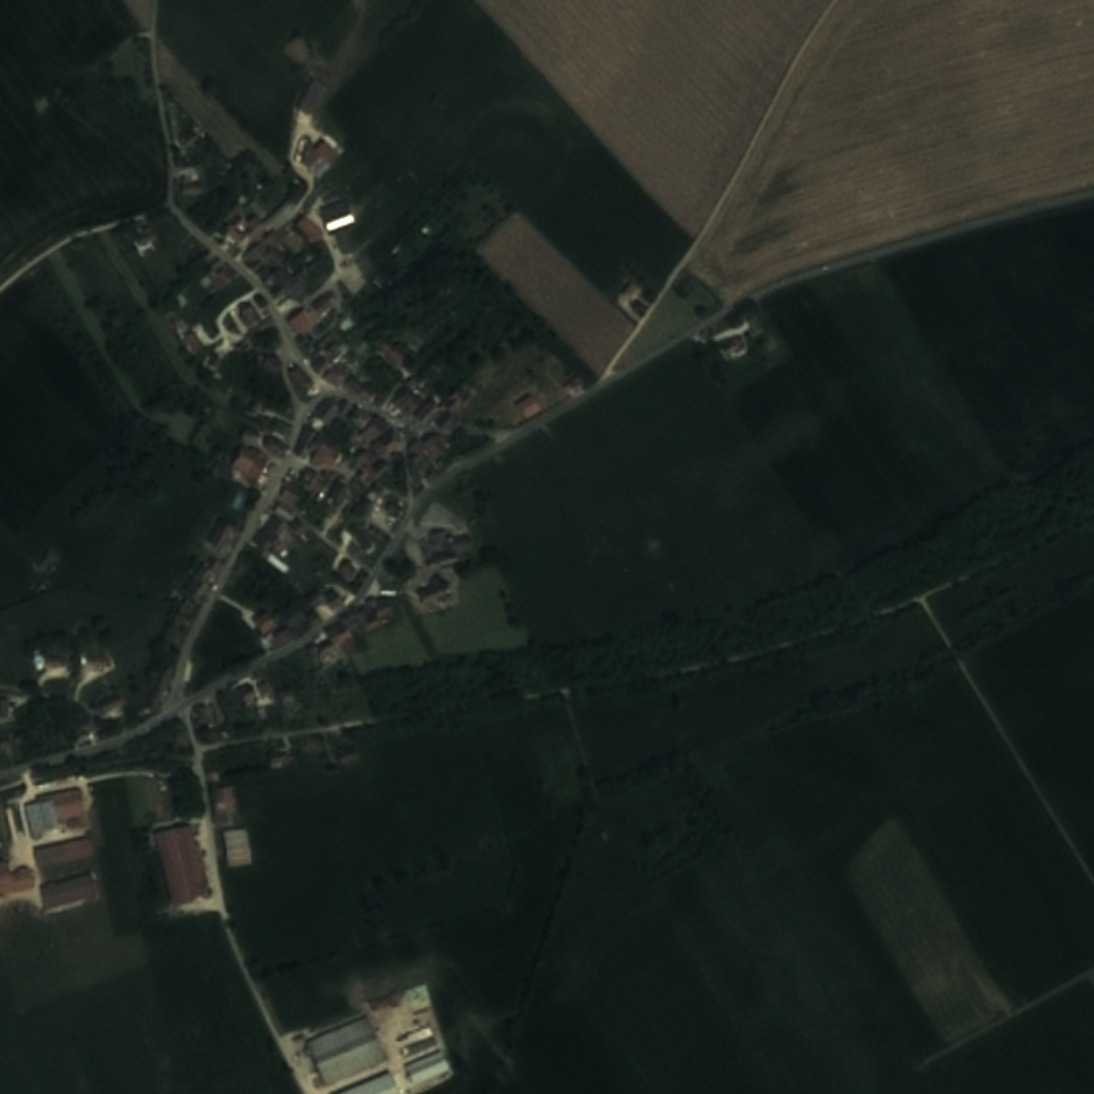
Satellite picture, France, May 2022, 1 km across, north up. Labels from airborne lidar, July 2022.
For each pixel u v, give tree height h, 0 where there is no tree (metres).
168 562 0
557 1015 0
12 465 0
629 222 0
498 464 0
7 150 0
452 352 15
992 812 0
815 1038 0
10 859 0
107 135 0
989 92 0
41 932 0
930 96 0
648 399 0
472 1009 0
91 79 0
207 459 11
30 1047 0
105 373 11
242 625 0
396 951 0
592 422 0
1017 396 0
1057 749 0
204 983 0
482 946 0
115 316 11
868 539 0
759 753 0
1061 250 0
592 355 0
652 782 20
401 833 0
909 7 0
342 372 0
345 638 0
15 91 0
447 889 0
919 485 0
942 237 0
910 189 0
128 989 0
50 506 0
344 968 0
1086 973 0
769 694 0
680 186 0
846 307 0
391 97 0
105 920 0
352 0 0
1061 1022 0
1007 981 0
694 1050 0
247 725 9
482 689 13
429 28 0
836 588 12
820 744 0
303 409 0
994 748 0
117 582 0
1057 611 0
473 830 0
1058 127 0
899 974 0
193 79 0
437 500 0
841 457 0
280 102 0
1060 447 0
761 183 0
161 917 0
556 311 0
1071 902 0
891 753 0
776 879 0
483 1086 0
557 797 0
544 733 0
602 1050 0
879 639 0
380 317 7
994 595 18
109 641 10
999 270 0
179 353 9
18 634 0
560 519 0
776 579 0
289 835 0
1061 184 0
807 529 0
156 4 0
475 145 0
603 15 0
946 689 0
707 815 8
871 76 0
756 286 0
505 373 0
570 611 0
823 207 0
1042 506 14
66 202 0
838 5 0
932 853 0
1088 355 0
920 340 0
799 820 0
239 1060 0
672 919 0
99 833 0
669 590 0
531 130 0
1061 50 0
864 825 0
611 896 0
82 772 7
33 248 0
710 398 0
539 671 11
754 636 14
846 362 0
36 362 0
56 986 0
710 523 0
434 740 0
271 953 0
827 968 0
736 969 0
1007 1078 0
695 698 0
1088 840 0
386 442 0
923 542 12
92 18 0
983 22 0
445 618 0
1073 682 0
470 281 14
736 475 0
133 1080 0
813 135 0
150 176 0
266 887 0
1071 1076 0
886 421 0
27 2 0
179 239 0
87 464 0
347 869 0
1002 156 0
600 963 0
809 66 0
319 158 0
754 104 0
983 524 16
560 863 0
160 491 22
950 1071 0
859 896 0
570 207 0
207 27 0
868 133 0
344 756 0
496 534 0
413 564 8
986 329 0
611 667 16
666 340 0
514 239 0
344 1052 0
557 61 0
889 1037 0
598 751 0
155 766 9
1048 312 0
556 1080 0
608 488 0
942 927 0
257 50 0
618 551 0
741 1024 0
